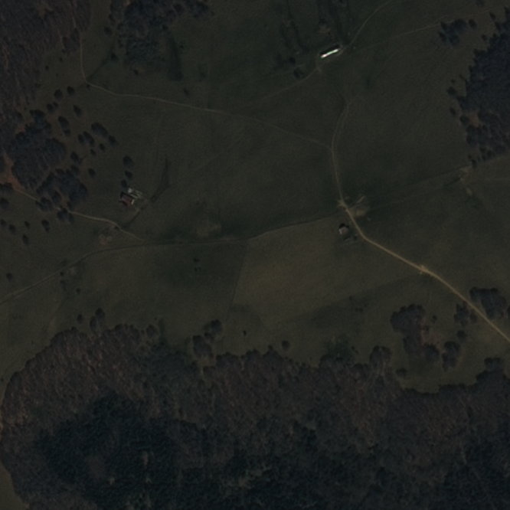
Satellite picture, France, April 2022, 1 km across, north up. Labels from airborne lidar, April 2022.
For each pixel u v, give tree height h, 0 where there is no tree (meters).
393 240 0
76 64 0
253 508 20
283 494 24
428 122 0
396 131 0
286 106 0
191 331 0
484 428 26
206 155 0
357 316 0
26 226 7
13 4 22
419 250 0
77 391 31
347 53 0
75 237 0
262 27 0
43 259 0
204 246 0
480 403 31
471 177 0
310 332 0
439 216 0
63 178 14
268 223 0
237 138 0
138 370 26
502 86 17
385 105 0
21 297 0
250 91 0
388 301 0
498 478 24
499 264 0
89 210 0
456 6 0
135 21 21
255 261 0
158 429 24
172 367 19
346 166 0
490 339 0
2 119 20
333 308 0
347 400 20
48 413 28
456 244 0
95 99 0
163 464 19
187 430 26
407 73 0
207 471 18
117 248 0
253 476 13
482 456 27
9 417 18
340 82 0
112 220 0
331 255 0
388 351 17
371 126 0
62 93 13
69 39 9
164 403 20
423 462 21
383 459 22
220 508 22
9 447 20
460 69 0
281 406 33
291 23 0
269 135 0
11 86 27
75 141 0
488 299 21
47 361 20
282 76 0
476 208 0
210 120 0
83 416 21
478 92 15
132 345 21
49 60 0
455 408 22
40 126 19
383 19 0
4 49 24
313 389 27
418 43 0
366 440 27
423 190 0
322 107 0
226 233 0
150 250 0
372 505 29
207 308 0
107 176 0
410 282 0
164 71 0
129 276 0
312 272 0
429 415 26
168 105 0
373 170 0
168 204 0
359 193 0
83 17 18
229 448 20
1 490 0
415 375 0
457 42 14
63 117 0
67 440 19
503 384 24
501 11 0
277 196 0
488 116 15
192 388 20
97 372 31
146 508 21
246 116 0
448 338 0
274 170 0
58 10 16
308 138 0
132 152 0
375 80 0
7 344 0
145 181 0
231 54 0
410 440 22
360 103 0
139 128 0
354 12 0
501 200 0
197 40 0
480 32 0
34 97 13
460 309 15
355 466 20
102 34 0
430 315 0
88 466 16
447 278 0
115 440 20
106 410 22
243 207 0
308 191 0
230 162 0
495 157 8
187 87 0
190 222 0
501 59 19
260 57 0
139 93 0
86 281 0
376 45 0
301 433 31
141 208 0
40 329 0
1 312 0
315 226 0
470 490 29
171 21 15
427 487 27
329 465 27
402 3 0
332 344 0
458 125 0
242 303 0
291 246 0
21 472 18
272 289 0
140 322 0
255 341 0
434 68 0
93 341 11
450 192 0
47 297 0
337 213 0
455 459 23
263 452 26
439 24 0
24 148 23
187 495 24
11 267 0
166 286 0
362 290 0
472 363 0
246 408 30
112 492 19
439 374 0
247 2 0
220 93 0
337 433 28
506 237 0
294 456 32
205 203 0
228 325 0
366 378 22
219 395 27
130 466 17
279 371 24
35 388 25
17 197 0
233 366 18
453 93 15
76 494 15
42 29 23
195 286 0
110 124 0
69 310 0
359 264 0
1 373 0
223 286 0
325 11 0
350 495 21
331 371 19
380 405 26
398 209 0
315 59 0
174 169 0
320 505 29
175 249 0
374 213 0
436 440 23
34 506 14
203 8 13
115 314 0
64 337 15
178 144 0
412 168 0
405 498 26
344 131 0
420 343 19
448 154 0
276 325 0
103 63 0
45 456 18
